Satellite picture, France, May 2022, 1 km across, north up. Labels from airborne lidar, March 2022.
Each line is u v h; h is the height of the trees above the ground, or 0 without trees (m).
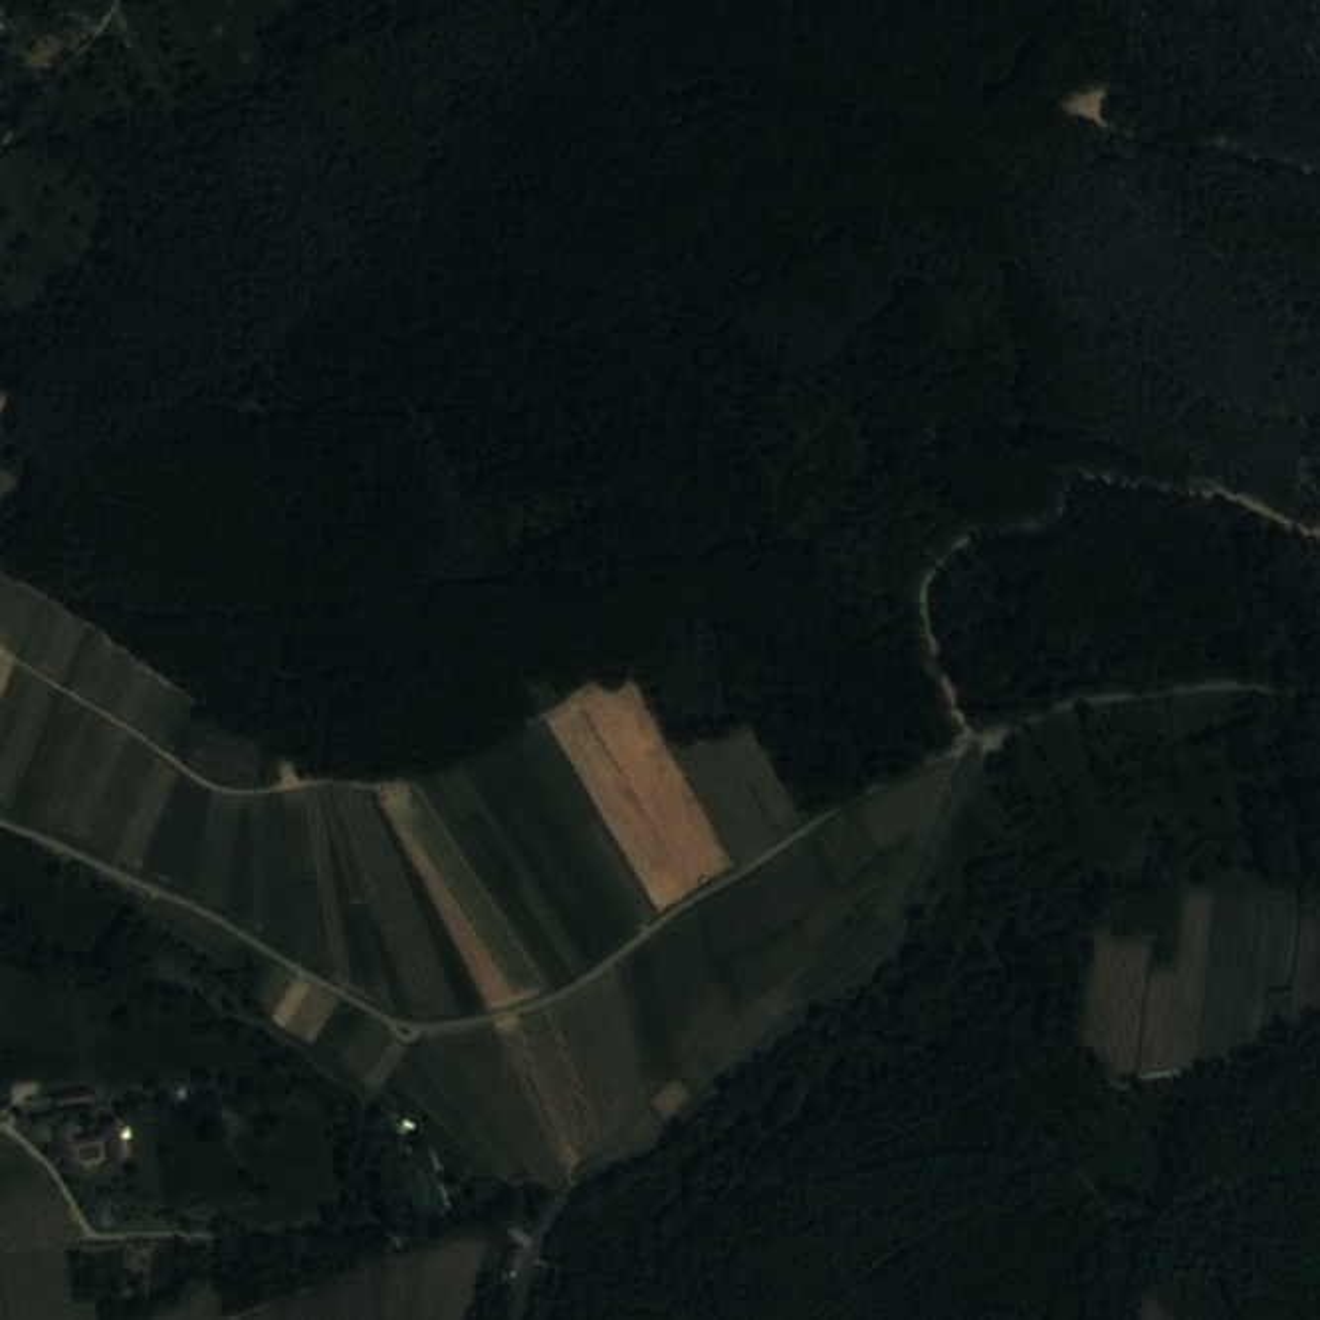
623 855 0
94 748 0
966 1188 14
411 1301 0
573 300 16
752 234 21
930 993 21
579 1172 0
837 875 0
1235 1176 19
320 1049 0
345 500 19
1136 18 20
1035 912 23
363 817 0
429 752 22
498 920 0
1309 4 21
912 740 29
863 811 0
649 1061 0
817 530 9
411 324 20
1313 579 24
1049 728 0
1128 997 0
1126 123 18
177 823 0
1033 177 17
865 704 28
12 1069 0
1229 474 13
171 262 17
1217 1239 14
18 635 0
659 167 19
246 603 19
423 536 14
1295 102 22
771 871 0
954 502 28
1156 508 21
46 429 11
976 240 20
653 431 18
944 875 0
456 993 0
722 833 0
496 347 19
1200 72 24
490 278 18
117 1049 0
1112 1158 0
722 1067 0
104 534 18
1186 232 17
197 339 18
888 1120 17
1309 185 26
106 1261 0
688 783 0
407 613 23
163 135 11
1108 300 20
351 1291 0
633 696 0
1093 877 0
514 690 23
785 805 0
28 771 0
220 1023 14
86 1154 0
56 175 0
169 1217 7
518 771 0
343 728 21
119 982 28
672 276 19
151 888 0
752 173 19
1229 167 22
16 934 24
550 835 0
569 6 16
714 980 0
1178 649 23
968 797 0
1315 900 0
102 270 18
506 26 11
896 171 23
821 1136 17
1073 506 26
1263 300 19
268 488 9
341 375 20
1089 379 19
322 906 0
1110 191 14
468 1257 0
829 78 19
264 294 16
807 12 24
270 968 0
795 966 0
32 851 13
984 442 20
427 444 12
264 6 0
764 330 12
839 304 10
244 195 11
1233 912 0
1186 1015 0
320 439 19
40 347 20
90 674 0
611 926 0
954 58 24
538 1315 11
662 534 16
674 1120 0
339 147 16
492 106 17
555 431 13
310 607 22
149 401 14
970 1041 18
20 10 15
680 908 0
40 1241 0
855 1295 14
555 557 18
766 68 17
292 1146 0
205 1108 15
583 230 20
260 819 0
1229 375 20
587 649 23
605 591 24
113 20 0
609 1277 15
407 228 14
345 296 17
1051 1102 0
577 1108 0
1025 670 25
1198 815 0
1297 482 7
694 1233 26
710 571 15
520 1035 0
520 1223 0
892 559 21
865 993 13
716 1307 16
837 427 6
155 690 0
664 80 18
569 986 0
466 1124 0
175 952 15
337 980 0
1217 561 27
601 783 0
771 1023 0
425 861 0
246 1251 17
